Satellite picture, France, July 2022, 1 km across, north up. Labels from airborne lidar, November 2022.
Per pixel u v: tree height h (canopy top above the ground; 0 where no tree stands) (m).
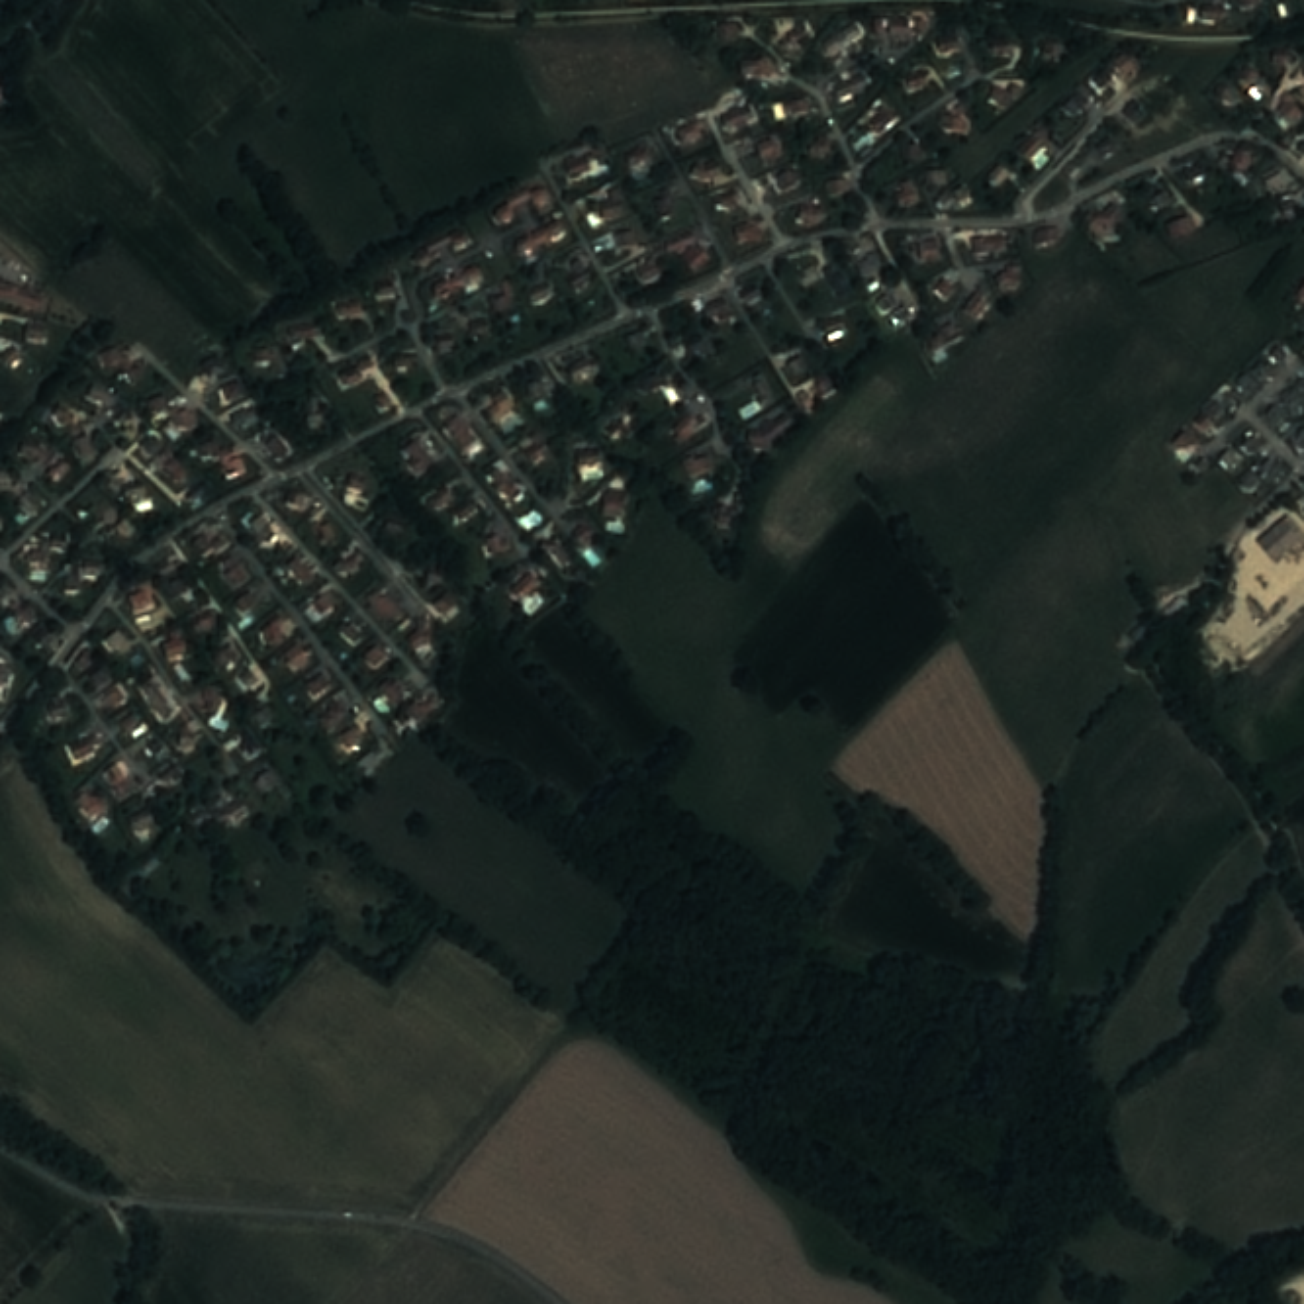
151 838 0
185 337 0
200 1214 0
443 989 0
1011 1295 27
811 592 0
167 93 0
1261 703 0
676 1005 7
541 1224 0
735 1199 0
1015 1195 32
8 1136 20
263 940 18
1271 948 0
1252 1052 0
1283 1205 0
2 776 0
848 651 0
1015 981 0
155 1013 0
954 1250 22
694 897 19
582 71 0
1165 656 14
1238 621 0
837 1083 24
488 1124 0
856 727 0
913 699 0
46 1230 0
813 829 0
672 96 0
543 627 0
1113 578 0
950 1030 33
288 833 15
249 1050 0
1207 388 0
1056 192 0
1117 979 19
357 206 0
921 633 0
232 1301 0
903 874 0
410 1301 0
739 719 0
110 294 0
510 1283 0
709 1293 0
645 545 0
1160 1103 0
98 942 0
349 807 23
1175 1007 0
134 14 0
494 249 0
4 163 0
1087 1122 19
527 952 0
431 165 0
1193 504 0
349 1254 0
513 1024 0
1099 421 0
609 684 0
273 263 13
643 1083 0
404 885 19
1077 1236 22
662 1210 0
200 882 0
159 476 0
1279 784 0
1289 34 11
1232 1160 0
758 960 21
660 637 0
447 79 0
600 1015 18
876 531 0
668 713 0
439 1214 0
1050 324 0
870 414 0
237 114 0
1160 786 0
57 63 0
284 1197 0
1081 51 17
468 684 0
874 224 0
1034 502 0
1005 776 0
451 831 0
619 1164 0
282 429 12
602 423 16
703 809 0
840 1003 10
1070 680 0
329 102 0
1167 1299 0
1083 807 0
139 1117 0
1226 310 0
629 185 8
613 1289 0
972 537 0
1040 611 0
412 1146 0
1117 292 0
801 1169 23
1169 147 0
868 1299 0
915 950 0
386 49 0
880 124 0
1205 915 0
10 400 0
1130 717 0
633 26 0
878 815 13
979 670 0
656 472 10
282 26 0
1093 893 0
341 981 0
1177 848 0
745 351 0
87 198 0
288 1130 0
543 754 0
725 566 13
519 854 0
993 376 0
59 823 12
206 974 12
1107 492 0
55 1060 0
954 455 0
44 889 0
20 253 0
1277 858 13
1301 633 0
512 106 0
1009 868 0
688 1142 0
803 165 9
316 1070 0
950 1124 32
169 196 0
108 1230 0
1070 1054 17
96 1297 0
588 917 0
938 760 0
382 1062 0
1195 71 0
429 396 6
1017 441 0
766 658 0
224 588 0
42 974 0
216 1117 0
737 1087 16
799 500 0
